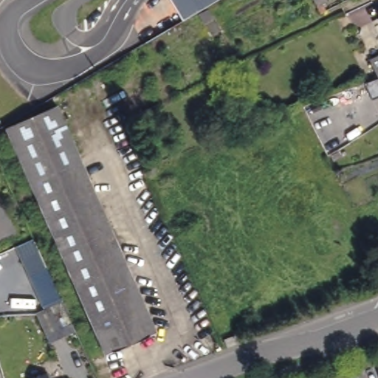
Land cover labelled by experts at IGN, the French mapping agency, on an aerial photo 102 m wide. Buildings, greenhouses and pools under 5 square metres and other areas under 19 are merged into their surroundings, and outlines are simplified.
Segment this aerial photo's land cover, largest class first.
<instances>
[{"label":"herbaceous vegetation","instance_id":"1","mask_svg":"<svg viewBox=\"0 0 378 378\"><path fill-rule=\"evenodd\" d=\"M71 0H55L38 10L30 21L32 35L41 43L47 44L58 43L61 40V34L53 25V13ZM105 0H90L78 7L77 24L87 21L90 13L99 9ZM323 16L313 0H221L216 6L201 10L199 15L190 16L188 19L176 27L168 28L167 31L149 40L145 46L131 52V55L118 63L112 71L97 72L80 84L81 87H90L93 80H96L105 86L115 83L123 87L126 90V97L159 99L162 105L159 109L162 112H171L179 121V140L186 146L183 157L179 159L177 167H171L167 173L159 174L157 168L149 170L139 165L143 183L148 188L149 196L154 198L157 217L165 224L179 211L186 210L196 214V223L190 227V232L173 238L180 261L185 264V270L188 272L189 285L195 286L196 297L204 301L207 309L205 315L210 317L208 326L224 334L226 340L232 337L238 340L241 337L272 334L309 317L313 319L320 313H329L332 306L359 303L378 295V127L366 134L360 133L357 139L350 140L344 148V157L338 162L332 161L326 157L323 146L317 140L315 128L310 126V121L304 115L306 106L298 102L301 81L306 80L309 75H319L323 68L334 80L341 77L344 83H348L359 75L362 68L357 65L354 53L365 52V43L359 37L360 31L356 27H344L340 18L334 16L315 30L304 32L267 50L266 59L269 62L258 69L261 74L258 78L260 97L270 100L275 105H282L291 106L288 121L272 131L273 137L270 139H263L261 134L255 127L248 131L244 127H226L224 136L221 133L210 134L207 142H196L190 128L196 126L195 117L205 114L204 108L211 96L210 87L204 89L201 84L176 97L167 93L168 86L180 89L193 80H198L199 77L204 81L208 80V75L216 63L224 62L227 58H235L239 50L250 52L269 43L273 37H282ZM1 211H4L12 223L15 235L0 241V252L15 248L28 241L37 244L40 236L49 238L50 235L40 210L31 214V220L18 217L15 205L10 202ZM63 303L68 306V317L75 328L74 334L69 335L66 340L71 341V346L75 350L84 348L90 359L96 360L105 354L94 338L86 313L69 281L58 289ZM46 354V341L43 340L38 322L25 316L3 317L0 320V378H25L28 366H37Z\"/></svg>","mask_w":378,"mask_h":378},{"label":"impervious surface","instance_id":"2","mask_svg":"<svg viewBox=\"0 0 378 378\"><path fill-rule=\"evenodd\" d=\"M55 0H0V134L6 131L9 127L24 123L28 118L55 108L53 97L68 92L80 84L97 72L112 71L118 63L131 55V52L145 46L149 40L167 31L168 28L176 27L188 19L179 12L173 0H105L99 9L90 13L87 21L77 24L78 7L90 0H71L53 13V25L61 34V40L58 43L47 44L41 43L32 35L30 21L38 10ZM323 16L343 9L344 16L340 18L344 27H356L360 31L359 37L365 43V52L354 53L357 65L362 68L359 75L365 78V83L377 80V74L371 72L369 63L378 58V0H313ZM109 108L123 128L124 139L120 140L115 148L109 145L87 155L83 152V158L81 161L87 165V171L92 173V188L100 204L105 207L109 223L126 241L121 247L126 254H137V258H128L131 282L134 285H142L140 292L146 297L143 306L151 310L154 323L164 328L159 329L157 340L151 341V337L146 335L140 341L142 344H133L118 353L105 354L96 360L90 359L84 348L75 350L71 346V341L66 340L61 338L53 344L46 341V354L37 366L46 369L52 378H245L244 372H250L264 359L275 363L273 375L276 378H283L291 374L310 377L325 363H334L337 356H343L354 348L365 350L369 344L378 343V295L359 303L332 306L329 313H320L313 319L309 317L272 334L241 337L238 340L232 337L226 340L224 334L208 326L210 317L205 315L207 309L204 301L196 297L195 286L189 285L188 272L185 270V264L180 261L173 238L168 235L165 224L157 217L154 198L149 196L148 188L143 183L139 165L136 155L133 154V149L139 145L134 139V124L139 123L146 111L158 114L162 112L159 109L162 105L159 99L126 97V90L123 87L115 83L105 86ZM304 115L310 121V126L315 128L317 140L323 146L326 157L332 161L338 162L344 157V148L350 140L357 139L360 133L366 134L378 127V100L368 99L362 84L350 87L344 92H337L334 99L326 100L322 105L306 106ZM15 235L12 223L4 211H0V241ZM37 292L32 289L24 267L19 264L15 248L0 252V320L3 317L25 316L38 322L43 319V307L38 306L35 301Z\"/></svg>","mask_w":378,"mask_h":378},{"label":"building","instance_id":"3","mask_svg":"<svg viewBox=\"0 0 378 378\"><path fill-rule=\"evenodd\" d=\"M179 12L188 19L190 16L199 15L201 10L216 6L221 0H173ZM371 72L377 74V80L365 83L362 84L368 99L378 100V58L369 63ZM62 109L55 108L28 118L24 123L9 127L6 131L40 210L50 235L58 245L69 281L86 313L94 338L105 354L118 353L133 344H142L140 341L146 335L151 337V341L157 340L159 329L164 328L154 323L151 310L143 306L146 297L140 292L142 285H134L131 282L128 258H137V254H126L121 247L126 241L109 223L105 207L100 204L92 188V173L87 171V165L81 161L83 158L78 155L74 140L66 133L68 127L63 124ZM19 264L24 267L32 289L37 292L35 301L38 306L43 307V319L38 322L43 340L46 341L53 344L61 338L66 340L69 335L74 334L75 328L68 317V306L63 303L58 289L53 285L55 278L47 269L46 261L41 257L37 244L28 241L15 248ZM25 378H52L46 369L37 366H28Z\"/></svg>","mask_w":378,"mask_h":378},{"label":"deciduous trees","instance_id":"4","mask_svg":"<svg viewBox=\"0 0 378 378\"><path fill-rule=\"evenodd\" d=\"M261 74L258 69L252 58L242 59L236 63L224 62L216 63L208 75V80L210 87L211 96L204 108L205 114L195 117L196 126L190 128L196 142H207L210 134L221 133L224 136L226 127H244L248 131L255 127L261 134L266 131L269 124L266 121L267 112H278L282 105H275L270 100L260 97L258 78ZM334 80L323 68L319 75H309L306 80L301 81L298 102L306 106L322 105L326 100L334 99L337 92L332 87ZM179 121L171 112H162L158 114L146 111L139 123L134 124V139L139 145L133 149V154L136 155L139 165L149 170L157 168L159 174L167 173L171 167H177L179 159L183 157L186 146L179 140ZM283 378H378V343L369 344L365 350L354 348L343 356H337L334 363H325L310 377L291 374ZM275 363L264 359L250 372H244L245 378H276L273 375Z\"/></svg>","mask_w":378,"mask_h":378},{"label":"brushwood","instance_id":"5","mask_svg":"<svg viewBox=\"0 0 378 378\"><path fill-rule=\"evenodd\" d=\"M334 16L340 18L344 16L343 9L323 16L282 37H273L269 43L250 52L239 50L235 58H227L224 62L236 63L242 59L252 58L258 69L269 62L266 59L267 50L304 32L315 30ZM362 84L365 83V78L359 75L348 83H344L341 77L334 80L332 87L337 92H344L350 87ZM201 84L204 89L210 87L208 80L204 81L199 77L198 80H193L180 89L168 86L167 93L176 97ZM291 106L282 105L278 112H267L266 121L269 124L266 131L261 134L263 139H270L273 137L272 131L288 121ZM10 202L15 205L18 217L31 220V214L40 210L6 131L0 134V211H1ZM196 223V214L186 210L179 211L165 224L168 235L173 238L190 232V227ZM41 257L46 261L47 269L55 278L53 285L58 289L69 281L58 245L50 235L49 238L40 236L37 244Z\"/></svg>","mask_w":378,"mask_h":378},{"label":"pervious surface","instance_id":"6","mask_svg":"<svg viewBox=\"0 0 378 378\"><path fill-rule=\"evenodd\" d=\"M55 108L62 109L63 124L68 127L66 133L74 140L78 155L83 158V152L87 155L109 145L115 148L120 140L124 139L123 128L109 108L105 86L96 80H93L90 87H81L80 84L68 92L53 97Z\"/></svg>","mask_w":378,"mask_h":378}]
</instances>
